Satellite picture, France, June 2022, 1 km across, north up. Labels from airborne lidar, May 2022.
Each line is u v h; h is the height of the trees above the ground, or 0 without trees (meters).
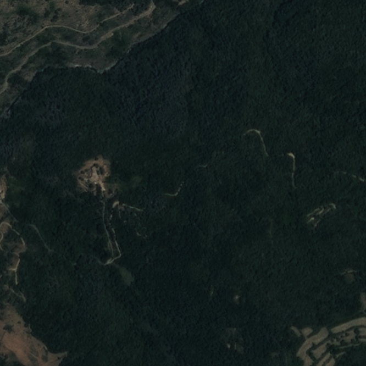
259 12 10
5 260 9
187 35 9
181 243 12
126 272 0
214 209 8
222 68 15
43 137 8
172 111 16
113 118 8
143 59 7
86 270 8
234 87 13
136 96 9
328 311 12
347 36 18
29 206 9
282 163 12
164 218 10
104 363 12
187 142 7
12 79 9
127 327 17
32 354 0
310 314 11
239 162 13
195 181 14
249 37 14
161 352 6
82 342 9
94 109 14
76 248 14
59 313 9
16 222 6
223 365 11
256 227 15
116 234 6
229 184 14
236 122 15
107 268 16
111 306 13
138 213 9
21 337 0
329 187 10
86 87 7
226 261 18
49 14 8
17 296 6
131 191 11
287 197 10
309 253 13
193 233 17
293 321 13
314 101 12
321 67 10
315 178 12
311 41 15
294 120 18
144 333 18
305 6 29
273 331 12
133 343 13
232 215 12
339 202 11
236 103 12
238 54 21
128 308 13
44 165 9
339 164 10
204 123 7
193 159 6
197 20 12
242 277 15
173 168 8
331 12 17
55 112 15
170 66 12
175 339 10
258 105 16
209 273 12
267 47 13
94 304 12
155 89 22
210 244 13
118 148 8
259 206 11
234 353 9
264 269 11
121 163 13
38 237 7
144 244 18
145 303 15
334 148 14
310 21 18
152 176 12
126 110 14
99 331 11
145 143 8
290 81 12
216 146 14
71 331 14
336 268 13
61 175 6
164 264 7
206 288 9
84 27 0
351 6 13
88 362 10
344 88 20
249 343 8
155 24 8
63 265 9
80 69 16
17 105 11
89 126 13
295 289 13
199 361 11
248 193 11
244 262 11
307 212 10
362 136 14
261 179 12
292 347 13
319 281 7
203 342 14
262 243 11
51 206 14
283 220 12
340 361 7
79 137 14
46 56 11
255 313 7
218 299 11
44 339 11
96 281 19
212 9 16
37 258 12
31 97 7
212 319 13
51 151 7
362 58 16
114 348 12
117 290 22
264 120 14
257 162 13
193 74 18
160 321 16
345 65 10
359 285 12
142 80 13
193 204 9
